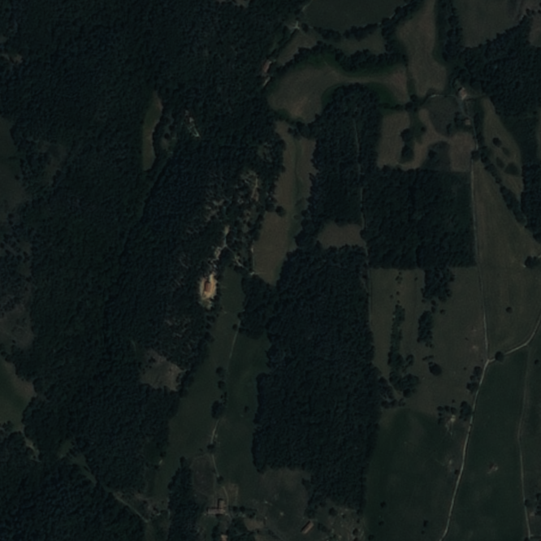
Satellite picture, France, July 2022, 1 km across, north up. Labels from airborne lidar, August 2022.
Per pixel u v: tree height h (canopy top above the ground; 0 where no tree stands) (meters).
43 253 14
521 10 0
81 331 6
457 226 8
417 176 12
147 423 21
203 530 0
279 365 24
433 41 0
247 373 0
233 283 0
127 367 17
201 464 0
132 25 14
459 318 0
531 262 17
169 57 18
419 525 0
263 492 0
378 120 21
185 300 14
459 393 0
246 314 14
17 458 18
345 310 12
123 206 25
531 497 0
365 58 15
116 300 23
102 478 22
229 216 13
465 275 0
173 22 12
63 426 19
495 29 0
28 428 12
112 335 14
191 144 12
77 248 13
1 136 0
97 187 20
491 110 0
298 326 16
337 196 12
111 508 25
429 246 16
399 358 15
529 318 0
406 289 0
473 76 19
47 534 15
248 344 0
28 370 8
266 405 23
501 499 0
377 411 23
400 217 14
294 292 27
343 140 7
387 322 0
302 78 0
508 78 14
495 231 0
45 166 10
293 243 0
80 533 18
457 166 0
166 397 16
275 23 9
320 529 7
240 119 21
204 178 12
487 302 0
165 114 15
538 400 0
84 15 11
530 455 0
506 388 0
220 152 25
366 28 8
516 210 16
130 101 17
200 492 0
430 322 7
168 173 14
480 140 12
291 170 0
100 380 25
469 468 0
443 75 0
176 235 13
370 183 10
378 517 0
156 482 0
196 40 16
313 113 0
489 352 0
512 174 0
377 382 17
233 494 0
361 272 17
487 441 0
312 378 18
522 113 15
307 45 0
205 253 14
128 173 27
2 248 10
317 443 17
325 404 15
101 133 14
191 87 13
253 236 17
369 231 8
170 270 10
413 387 12
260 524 0
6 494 24
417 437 0
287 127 0
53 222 12
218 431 0
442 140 0
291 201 0
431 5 0
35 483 31
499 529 0
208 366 0
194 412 0
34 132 16
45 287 11
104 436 16
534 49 6
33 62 23
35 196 6
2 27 14
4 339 0
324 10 0
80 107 13
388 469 0
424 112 0
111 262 23
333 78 0
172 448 0
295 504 0
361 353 13
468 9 0
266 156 14
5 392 0
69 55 24
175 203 15
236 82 12
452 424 0
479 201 0
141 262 13
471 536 0
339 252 11
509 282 0
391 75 0
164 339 11
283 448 17
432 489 0
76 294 10
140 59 8
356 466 19
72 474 26
